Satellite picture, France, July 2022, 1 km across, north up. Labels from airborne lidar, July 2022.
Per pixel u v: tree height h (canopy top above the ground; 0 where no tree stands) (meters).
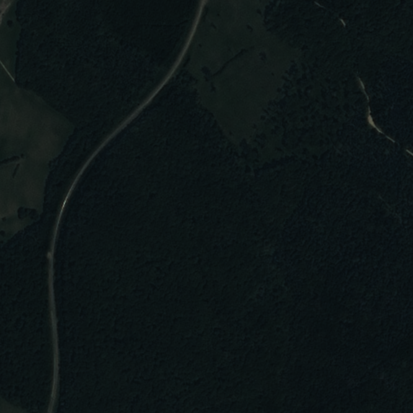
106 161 26
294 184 24
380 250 24
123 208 27
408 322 18
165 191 24
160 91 9
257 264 28
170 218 25
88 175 14
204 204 22
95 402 20
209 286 22
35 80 19
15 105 0
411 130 21
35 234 25
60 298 18
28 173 0
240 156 21
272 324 22
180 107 22
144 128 22
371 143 17
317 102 22
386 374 25
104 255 24
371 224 26
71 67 26
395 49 19
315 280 22
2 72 0
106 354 24
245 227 25
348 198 19
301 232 19
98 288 23
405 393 16
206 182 20
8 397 8
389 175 23
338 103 23
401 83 23
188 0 8
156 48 10
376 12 24
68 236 27
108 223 27
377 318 23
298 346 20
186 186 23
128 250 26
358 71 17
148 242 24
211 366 25
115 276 21
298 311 23
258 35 0
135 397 17
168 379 22
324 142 21
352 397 32
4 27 0
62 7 17
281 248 19
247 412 21
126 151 21
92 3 23
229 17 0
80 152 18
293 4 20
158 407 27
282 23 23
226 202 25
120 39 7
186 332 25
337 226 17
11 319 25
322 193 16
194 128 23
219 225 22
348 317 29
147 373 25
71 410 26
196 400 23
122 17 9
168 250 29
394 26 21
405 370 23
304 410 28
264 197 24
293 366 22
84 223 27
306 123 24
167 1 7
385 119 18
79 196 22
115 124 10
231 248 22
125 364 22
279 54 0
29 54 22
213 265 28
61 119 0
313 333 23
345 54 21
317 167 24
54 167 11
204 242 24
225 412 25
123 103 21
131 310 24
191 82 23
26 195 0
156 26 11
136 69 26
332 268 23
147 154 24
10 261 23
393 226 22
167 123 22
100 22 15
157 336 22
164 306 23
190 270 23
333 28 25
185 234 25
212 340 21
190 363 27
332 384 20
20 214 16
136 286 17
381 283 20
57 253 11
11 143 0
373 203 22
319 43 26
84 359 21
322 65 22
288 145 26
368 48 27
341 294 16
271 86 0
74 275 27
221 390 22
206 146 26
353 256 20
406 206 25
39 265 28
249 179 22
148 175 20
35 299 31
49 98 20
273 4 21
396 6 18
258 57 0
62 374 17
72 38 8
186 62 9
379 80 12
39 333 24
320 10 18
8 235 0
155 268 23
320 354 22
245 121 0
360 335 22
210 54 0
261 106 0
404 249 18
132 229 26
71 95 24
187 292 25
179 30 9
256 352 20
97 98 24
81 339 24
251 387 22
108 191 25
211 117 20
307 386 22
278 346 25
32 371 26
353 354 21
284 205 24
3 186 0
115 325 20
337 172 24
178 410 22
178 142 19
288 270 24
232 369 23
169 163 24
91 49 9
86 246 24
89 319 22
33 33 23
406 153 9
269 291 19
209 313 21
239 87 0
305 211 18
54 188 23
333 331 20
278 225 24
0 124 0
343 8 25
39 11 22
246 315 25
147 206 26
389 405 20
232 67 0
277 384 27
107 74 20
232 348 20
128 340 25
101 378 22
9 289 30
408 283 21
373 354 23
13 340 26
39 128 0
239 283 28
